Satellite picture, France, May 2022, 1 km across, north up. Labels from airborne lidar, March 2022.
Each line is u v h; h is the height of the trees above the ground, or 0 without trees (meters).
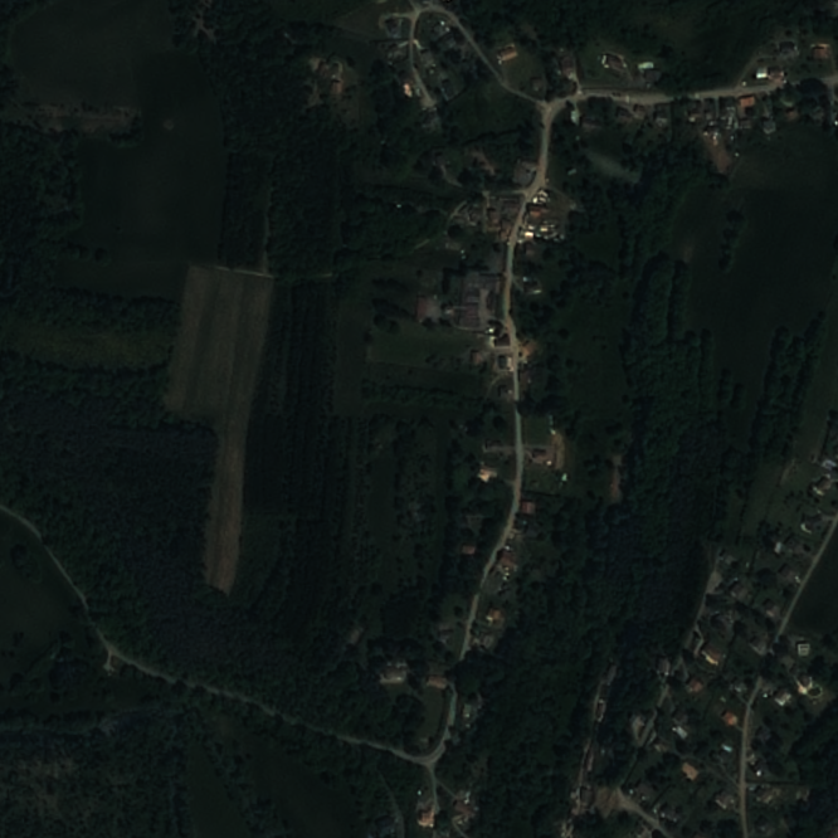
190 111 0
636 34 8
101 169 0
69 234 0
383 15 0
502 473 0
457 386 0
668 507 24
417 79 0
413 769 13
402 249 17
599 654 24
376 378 0
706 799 0
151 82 0
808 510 0
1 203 10
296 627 12
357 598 7
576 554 29
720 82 7
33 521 16
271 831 21
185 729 18
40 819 8
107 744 21
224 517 0
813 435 0
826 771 25
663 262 16
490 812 25
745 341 0
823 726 19
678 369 22
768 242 0
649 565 28
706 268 0
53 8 0
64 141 15
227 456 0
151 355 0
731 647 6
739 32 0
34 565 22
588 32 17
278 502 6
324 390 7
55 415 26
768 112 0
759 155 0
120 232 0
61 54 0
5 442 23
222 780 13
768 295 0
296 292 12
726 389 11
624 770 18
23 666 0
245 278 0
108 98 0
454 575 20
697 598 10
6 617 0
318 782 0
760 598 0
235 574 0
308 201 19
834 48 0
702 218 0
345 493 8
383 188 7
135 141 12
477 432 23
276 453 6
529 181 0
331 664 22
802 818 24
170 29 0
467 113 0
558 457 0
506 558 0
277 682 18
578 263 13
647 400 6
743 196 0
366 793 29
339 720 15
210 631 22
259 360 0
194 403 0
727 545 0
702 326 0
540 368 6
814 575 0
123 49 0
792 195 0
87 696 0
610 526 28
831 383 0
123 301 11
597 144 0
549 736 19
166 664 17
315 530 11
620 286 0
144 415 16
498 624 0
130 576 23
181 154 0
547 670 23
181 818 19
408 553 0
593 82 0
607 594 27
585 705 16
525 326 0
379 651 16
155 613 24
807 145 0
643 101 0
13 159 23
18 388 21
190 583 27
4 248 9
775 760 11
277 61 17
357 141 6
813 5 11
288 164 17
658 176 21
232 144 14
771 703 0
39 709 0
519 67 0
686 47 0
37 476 30
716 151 0
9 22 16
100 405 21
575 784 0
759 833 0
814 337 18
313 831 0
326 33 16
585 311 0
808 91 23
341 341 0
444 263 0
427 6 0
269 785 0
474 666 23
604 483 0
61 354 0
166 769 18
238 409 0
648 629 20
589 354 0
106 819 18
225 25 19
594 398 0
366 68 0
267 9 19
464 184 19
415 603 13
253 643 20
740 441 0
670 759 12
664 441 29
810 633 0
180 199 0
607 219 15
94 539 23
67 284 0
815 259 0
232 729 0
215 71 14
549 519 7
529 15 19
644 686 20
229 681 19
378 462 0
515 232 0
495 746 20
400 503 7
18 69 0
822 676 22
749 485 16
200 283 0
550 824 12
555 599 21
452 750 13
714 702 0
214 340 0
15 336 0
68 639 17
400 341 0
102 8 0
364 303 0
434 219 14
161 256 0
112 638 19
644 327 19
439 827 10
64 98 0
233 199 12
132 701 0
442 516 0
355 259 17
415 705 19
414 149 18
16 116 0
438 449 0
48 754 15
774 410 12
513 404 0
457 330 0
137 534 21
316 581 11
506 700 23
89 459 24
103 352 0
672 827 16
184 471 24
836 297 0
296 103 11
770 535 12
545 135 0
